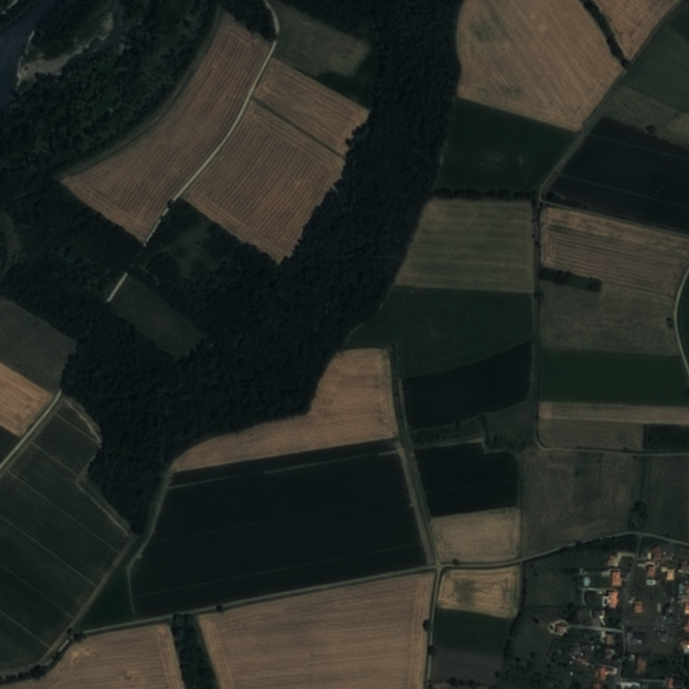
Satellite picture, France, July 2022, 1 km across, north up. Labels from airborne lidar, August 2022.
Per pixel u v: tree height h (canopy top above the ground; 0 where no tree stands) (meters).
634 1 0
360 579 0
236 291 20
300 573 0
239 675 0
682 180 0
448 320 0
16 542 0
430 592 0
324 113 0
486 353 0
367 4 16
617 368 0
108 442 20
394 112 13
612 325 0
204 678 20
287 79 0
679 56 0
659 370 0
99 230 12
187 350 0
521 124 0
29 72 0
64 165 9
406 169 23
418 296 0
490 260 0
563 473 0
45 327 0
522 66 0
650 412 0
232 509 0
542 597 0
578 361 0
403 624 0
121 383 19
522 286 0
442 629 0
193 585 0
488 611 0
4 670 0
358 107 0
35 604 0
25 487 0
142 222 0
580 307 0
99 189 0
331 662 0
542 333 0
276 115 0
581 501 0
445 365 0
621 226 0
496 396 0
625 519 0
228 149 0
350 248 19
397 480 0
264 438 0
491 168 0
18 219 7
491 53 0
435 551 0
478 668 0
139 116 14
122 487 13
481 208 0
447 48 10
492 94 0
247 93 0
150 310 0
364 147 23
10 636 0
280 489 0
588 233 0
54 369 0
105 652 0
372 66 0
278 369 24
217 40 0
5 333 0
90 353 17
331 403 0
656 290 0
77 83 7
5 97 0
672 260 0
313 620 0
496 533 0
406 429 0
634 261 0
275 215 0
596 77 0
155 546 0
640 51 0
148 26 16
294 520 0
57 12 24
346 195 22
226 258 7
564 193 0
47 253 15
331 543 0
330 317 23
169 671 0
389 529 0
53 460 0
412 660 0
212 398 26
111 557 0
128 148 0
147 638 0
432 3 14
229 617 0
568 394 0
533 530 0
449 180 0
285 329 17
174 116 0
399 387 0
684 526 0
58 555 0
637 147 0
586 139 0
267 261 16
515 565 0
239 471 0
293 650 0
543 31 0
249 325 19
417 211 13
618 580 0
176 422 19
